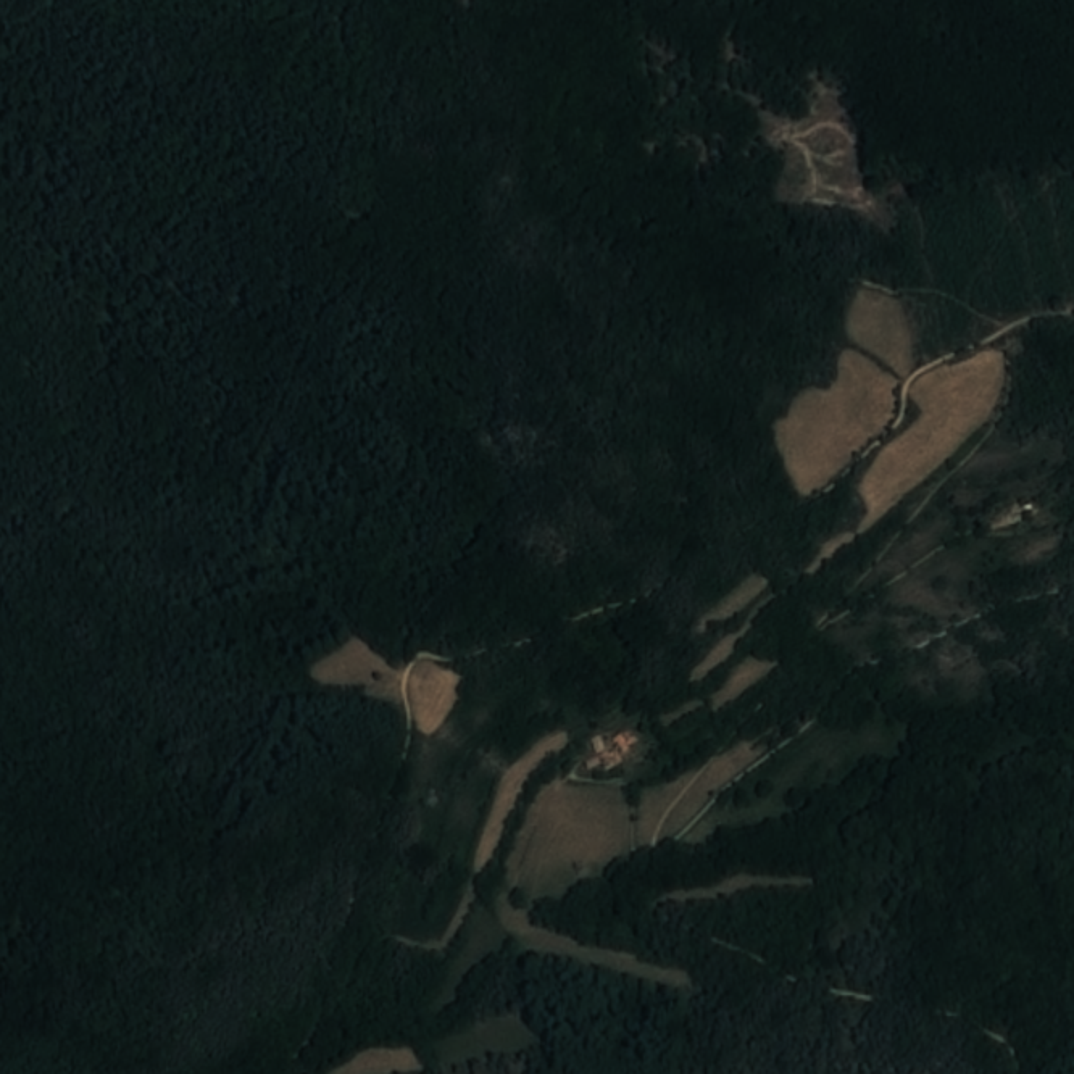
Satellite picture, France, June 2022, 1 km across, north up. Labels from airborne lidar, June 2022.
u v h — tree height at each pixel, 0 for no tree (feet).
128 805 29
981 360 0
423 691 0
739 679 0
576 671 69
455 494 51
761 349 19
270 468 35
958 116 82
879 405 0
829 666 44
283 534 81
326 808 66
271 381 44
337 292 76
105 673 34
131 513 73
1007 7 68
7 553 92
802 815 55
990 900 48
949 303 19
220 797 46
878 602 31
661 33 62
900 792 85
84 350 81
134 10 58
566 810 0
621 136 71
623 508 36
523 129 58
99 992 25
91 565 64
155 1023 52
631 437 52
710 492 50
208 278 76
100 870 39
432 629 52
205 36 78
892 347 0
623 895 90
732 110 58
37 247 40
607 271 56
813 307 36
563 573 52
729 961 29
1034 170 70
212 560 43
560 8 81
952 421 0
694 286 70
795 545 28
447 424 25
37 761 49
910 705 45
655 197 89
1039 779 75
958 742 85
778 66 61
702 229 82
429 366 30
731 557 58
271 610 34
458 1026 52
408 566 31
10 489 90
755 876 35
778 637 43
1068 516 26
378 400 66
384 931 46
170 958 39
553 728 36
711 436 42
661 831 0
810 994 51
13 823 54
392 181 62
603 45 80
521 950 67
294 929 40
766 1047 37
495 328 40
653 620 63
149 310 61
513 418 36
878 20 78
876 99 85
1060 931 62
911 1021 50
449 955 53
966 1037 42
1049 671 52
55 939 50
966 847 75
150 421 75
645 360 43
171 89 82
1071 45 86
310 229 67
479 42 78
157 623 63
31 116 58
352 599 54
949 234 19
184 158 61
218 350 79
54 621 58
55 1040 35
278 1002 55
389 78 48
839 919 43
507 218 28
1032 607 45
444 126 30
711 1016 57
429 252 66
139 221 58
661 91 64
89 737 47
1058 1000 38
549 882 0
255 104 63
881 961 40
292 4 64
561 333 46
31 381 35
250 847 40
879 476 0
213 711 84
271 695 46
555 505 27
